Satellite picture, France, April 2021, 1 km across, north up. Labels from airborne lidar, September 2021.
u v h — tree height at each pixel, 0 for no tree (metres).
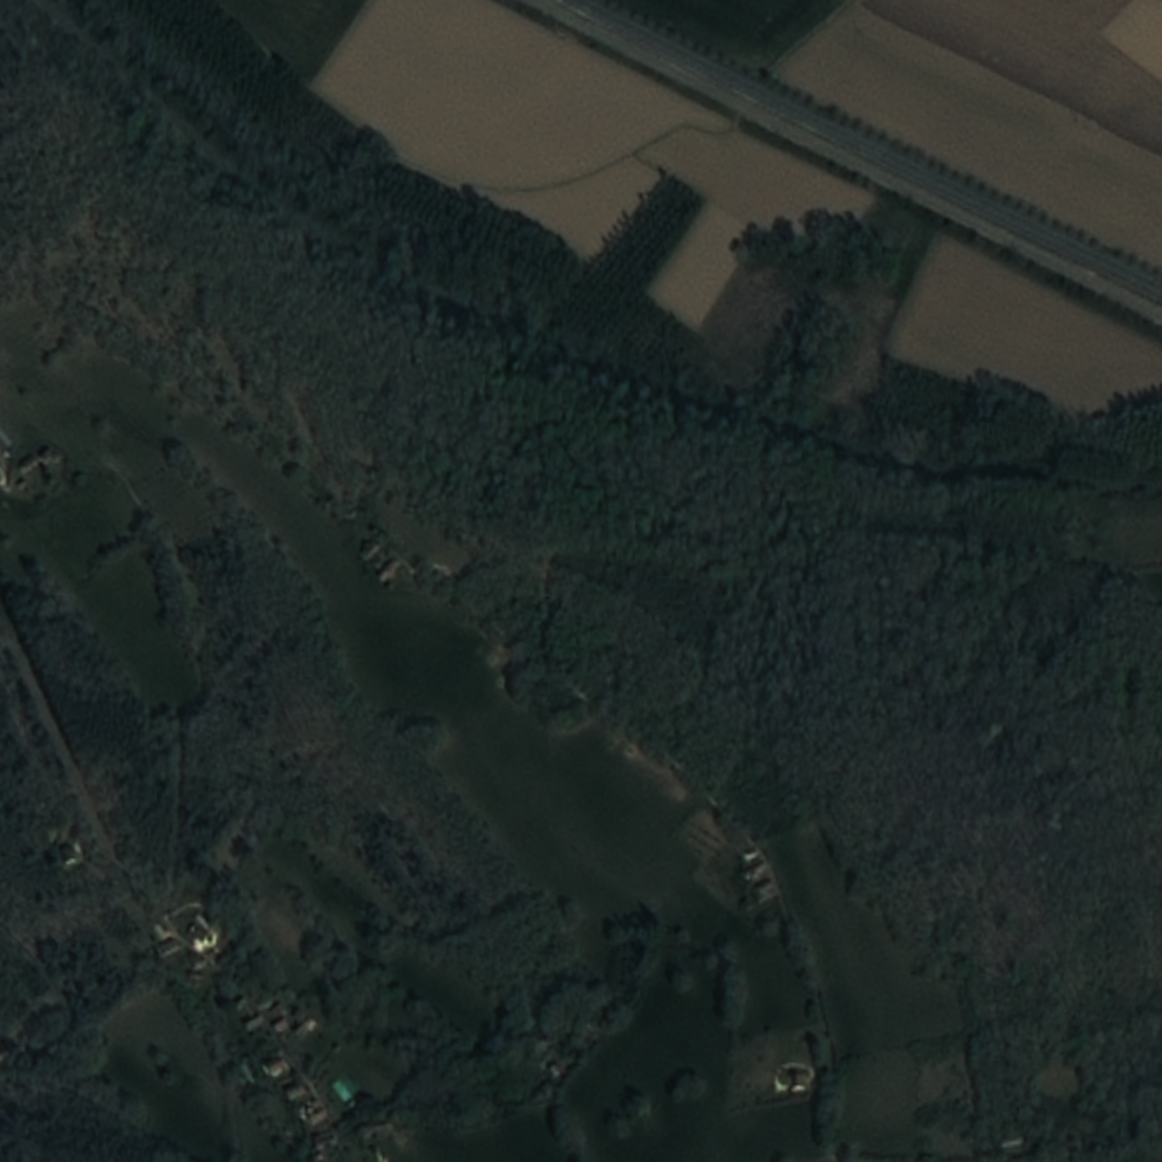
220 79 35
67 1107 9
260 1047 6
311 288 16
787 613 21
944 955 21
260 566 20
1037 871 20
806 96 10
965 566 25
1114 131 0
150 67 8
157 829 6
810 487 24
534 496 20
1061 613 15
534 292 36
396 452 21
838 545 26
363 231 11
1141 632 25
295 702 14
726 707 24
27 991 16
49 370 15
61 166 8
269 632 16
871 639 23
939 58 0
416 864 15
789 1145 0
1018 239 0
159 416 0
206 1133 0
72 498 0
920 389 14
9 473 0
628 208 0
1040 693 26
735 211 0
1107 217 0
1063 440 23
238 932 20
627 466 24
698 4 0
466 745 0
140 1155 14
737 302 0
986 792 19
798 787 22
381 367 17
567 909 17
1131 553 0
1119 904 19
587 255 0
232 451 0
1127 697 13
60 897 6
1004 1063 16
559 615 18
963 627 21
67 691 19
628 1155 0
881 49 0
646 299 15
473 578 17
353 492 13
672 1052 0
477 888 15
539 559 14
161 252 14
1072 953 16
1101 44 0
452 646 0
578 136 0
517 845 0
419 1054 13
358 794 12
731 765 20
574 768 0
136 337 11
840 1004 0
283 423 16
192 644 17
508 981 24
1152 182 0
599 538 24
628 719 16
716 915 0
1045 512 17
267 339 15
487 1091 11
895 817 21
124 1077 0
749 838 10
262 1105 13
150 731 14
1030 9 0
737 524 22
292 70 23
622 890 0
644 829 0
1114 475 36
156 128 26
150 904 13
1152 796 18
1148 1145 23
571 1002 21
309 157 23
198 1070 0
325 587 0
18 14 8
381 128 0
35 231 10
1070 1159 14
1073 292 14
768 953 0
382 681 0
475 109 0
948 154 0
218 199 20
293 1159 12
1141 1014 8
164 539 18
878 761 22
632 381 10
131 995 15
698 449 23
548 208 0
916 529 13
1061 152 0
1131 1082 18
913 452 42
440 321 27
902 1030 0
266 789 15
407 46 0
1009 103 0
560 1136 19
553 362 9
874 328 0
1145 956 15
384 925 17
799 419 22
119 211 9
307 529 0
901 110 0
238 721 9
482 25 0
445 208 29
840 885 0
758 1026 0
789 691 26
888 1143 0
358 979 17
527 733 0
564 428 25
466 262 39
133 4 34
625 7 10
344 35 0
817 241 28
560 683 22
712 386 14
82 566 0
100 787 6
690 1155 0
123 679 22
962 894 17
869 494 24
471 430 28
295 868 0
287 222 20
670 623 8
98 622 0
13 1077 18
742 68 7
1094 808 19
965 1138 6
